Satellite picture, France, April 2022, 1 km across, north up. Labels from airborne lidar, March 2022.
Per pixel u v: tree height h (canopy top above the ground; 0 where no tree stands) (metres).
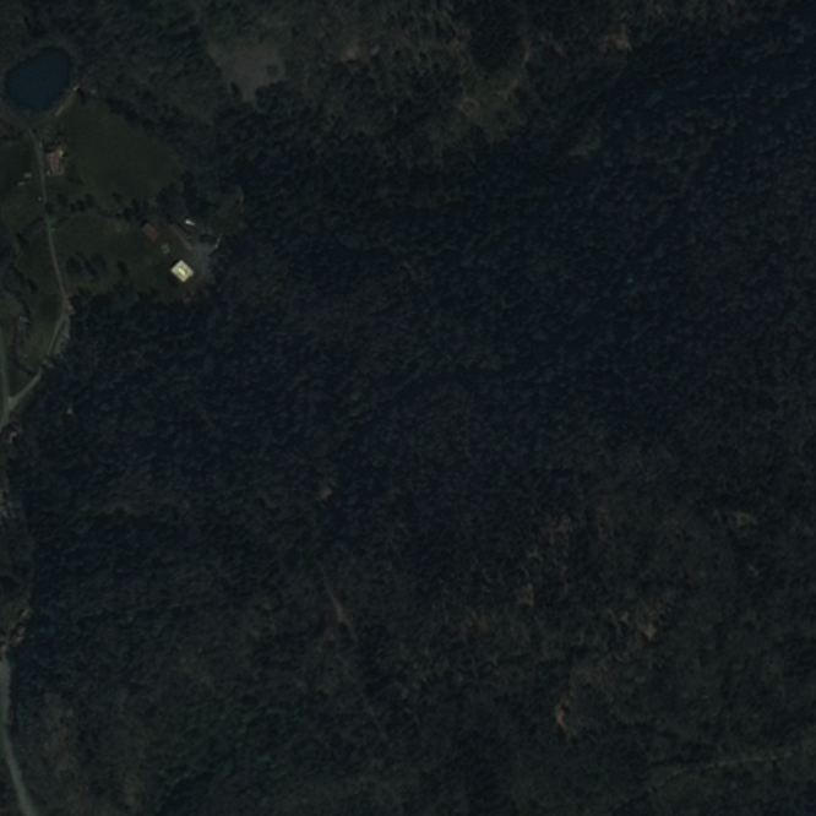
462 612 30
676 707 29
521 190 44
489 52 26
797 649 29
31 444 21
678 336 28
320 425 34
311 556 22
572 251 39
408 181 36
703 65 19
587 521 26
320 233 28
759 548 18
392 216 38
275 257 31
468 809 28
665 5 27
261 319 19
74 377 36
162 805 27
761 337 28
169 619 32
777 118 17
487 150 23
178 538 28
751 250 28
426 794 30
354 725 27
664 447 25
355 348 32
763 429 24
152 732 22
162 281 0
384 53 25
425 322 36
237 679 28
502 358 34
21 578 22
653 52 29
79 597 19
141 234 0
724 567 30
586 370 31
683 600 31
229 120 31
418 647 23
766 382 6
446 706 34
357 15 29
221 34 23
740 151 14
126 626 33
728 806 23
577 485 31
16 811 8
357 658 26
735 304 27
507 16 20
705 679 32
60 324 0
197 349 30
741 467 24
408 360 32
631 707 32
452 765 37
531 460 30
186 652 20
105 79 24
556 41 23
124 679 14
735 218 30
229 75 0
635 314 29
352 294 28
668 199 28
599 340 31
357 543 30
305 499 30
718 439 21
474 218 8
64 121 0
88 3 32
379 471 14
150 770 28
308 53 27
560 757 32
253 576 24
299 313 25
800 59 27
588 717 37
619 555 31
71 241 0
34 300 0
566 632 34
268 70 9
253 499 25
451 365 32
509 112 12
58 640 31
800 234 24
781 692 25
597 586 30
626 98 13
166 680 22
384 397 29
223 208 20
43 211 0
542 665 30
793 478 23
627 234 33
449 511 27
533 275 33
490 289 35
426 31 29
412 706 9
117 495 15
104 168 0
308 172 41
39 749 10
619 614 29
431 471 26
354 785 24
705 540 30
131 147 0
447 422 32
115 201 0
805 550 24
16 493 18
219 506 29
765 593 27
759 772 22
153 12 26
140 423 30
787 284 32
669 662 23
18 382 0
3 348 0
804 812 18
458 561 28
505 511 26
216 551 23
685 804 22
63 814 13
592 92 31
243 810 26
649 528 28
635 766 28
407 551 9
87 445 17
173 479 25
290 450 18
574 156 9
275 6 17
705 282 33
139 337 19
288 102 30
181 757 27
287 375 30
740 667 26
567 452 29
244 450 31
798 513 15
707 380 26
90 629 33
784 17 18
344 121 32
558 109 12
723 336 28
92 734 29
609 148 25
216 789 34
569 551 22
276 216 35
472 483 25
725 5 31
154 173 0
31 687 12
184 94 27
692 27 25
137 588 25
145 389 29
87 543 28
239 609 25
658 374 30
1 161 0
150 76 29
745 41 10
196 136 31
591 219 32
